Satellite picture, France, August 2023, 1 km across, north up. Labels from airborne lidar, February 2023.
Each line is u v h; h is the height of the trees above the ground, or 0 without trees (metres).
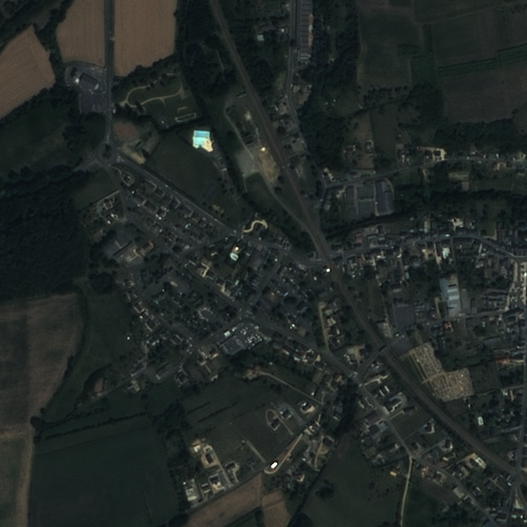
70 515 0
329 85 12
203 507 0
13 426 0
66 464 0
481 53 0
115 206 0
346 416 6
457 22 0
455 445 0
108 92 0
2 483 0
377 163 8
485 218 8
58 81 10
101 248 15
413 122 8
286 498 0
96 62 0
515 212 16
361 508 0
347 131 12
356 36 9
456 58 0
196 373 0
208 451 0
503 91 0
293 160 0
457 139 13
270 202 0
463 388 0
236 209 0
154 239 0
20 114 15
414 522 0
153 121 5
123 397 0
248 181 0
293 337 0
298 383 0
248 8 12
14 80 0
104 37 0
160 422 10
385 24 0
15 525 0
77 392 0
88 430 6
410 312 0
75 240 21
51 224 18
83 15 0
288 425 0
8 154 0
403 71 0
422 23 0
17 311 0
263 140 0
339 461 0
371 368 0
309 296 10
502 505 6
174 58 9
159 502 0
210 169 0
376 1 0
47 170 0
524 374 7
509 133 14
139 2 0
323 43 12
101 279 12
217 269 8
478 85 0
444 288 0
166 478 0
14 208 24
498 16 0
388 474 0
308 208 0
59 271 22
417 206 8
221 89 18
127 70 0
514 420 22
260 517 13
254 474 0
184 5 12
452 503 0
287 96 0
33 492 0
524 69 0
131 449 0
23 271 20
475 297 0
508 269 0
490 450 0
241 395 0
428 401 0
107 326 0
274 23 8
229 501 0
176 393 0
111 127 0
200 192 0
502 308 0
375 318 0
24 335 0
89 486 0
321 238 0
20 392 0
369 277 15
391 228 0
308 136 15
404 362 0
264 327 0
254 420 0
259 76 13
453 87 0
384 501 0
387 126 0
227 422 0
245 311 0
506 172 0
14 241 26
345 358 0
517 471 0
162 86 12
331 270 0
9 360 0
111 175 0
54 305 0
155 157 0
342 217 0
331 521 0
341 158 13
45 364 0
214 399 0
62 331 0
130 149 0
